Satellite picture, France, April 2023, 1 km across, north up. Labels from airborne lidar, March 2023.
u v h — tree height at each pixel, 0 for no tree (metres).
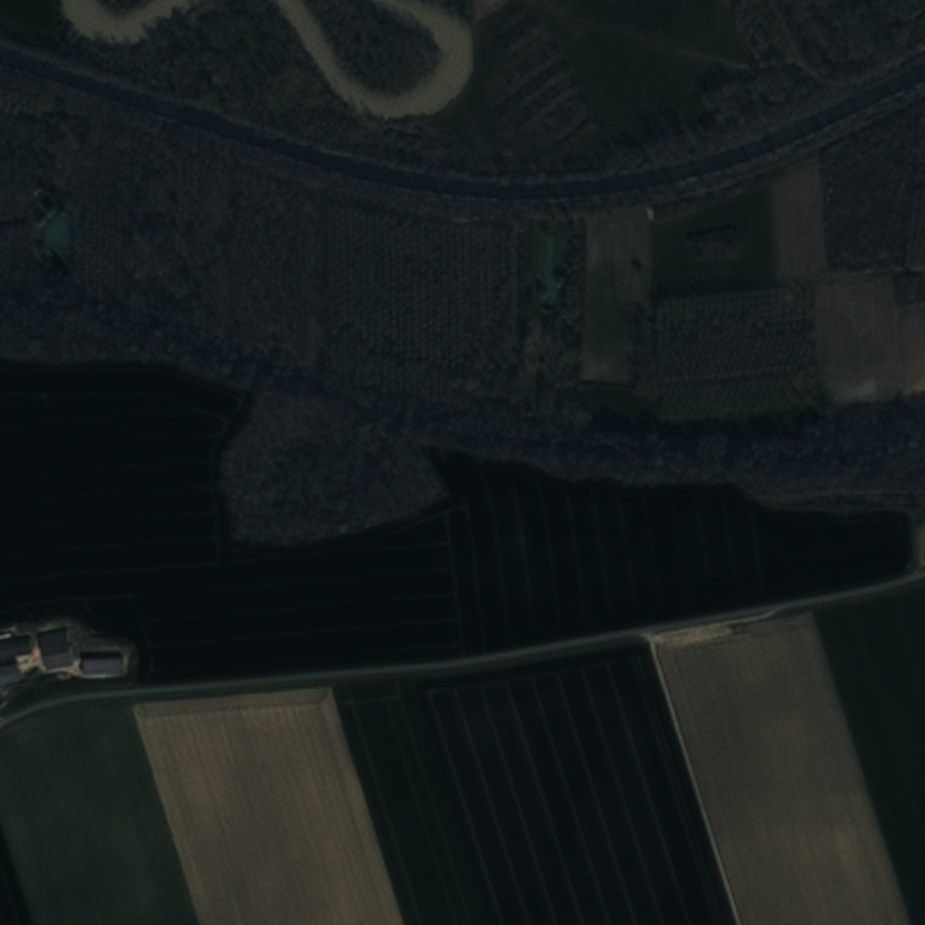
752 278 0
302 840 0
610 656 0
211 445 0
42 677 0
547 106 0
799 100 31
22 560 0
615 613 0
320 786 0
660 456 24
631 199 25
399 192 33
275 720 0
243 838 0
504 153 0
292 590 0
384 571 0
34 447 0
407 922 0
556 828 0
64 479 0
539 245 0
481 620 0
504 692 0
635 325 17
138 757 0
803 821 0
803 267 0
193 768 0
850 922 0
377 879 0
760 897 0
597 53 0
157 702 0
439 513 0
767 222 0
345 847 0
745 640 0
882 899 0
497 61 0
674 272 0
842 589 0
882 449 22
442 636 0
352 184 32
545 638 0
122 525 0
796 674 0
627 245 0
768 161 15
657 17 0
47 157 13
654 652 0
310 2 32
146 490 0
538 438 14
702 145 28
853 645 0
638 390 14
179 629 0
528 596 0
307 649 0
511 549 0
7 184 25
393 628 0
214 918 0
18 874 0
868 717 0
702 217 0
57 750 0
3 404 0
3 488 0
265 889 0
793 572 0
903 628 0
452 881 0
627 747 0
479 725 0
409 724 0
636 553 0
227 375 14
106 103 25
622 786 0
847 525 0
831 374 0
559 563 0
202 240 34
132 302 21
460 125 0
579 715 0
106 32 0
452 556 0
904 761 0
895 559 0
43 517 0
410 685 0
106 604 0
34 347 23
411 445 23
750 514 0
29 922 0
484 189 0
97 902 0
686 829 0
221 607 0
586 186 0
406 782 0
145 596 0
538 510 0
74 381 0
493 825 0
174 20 7
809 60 33
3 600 0
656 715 0
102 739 0
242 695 0
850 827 0
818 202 0
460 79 0
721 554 0
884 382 0
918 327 0
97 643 0
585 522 0
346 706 0
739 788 0
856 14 37
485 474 0
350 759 0
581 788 0
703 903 0
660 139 32
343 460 30
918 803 0
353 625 0
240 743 0
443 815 0
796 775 0
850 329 0
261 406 22
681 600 0
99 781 0
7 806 0
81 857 0
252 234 35
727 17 0
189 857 0
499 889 0
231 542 0
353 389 24
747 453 27
